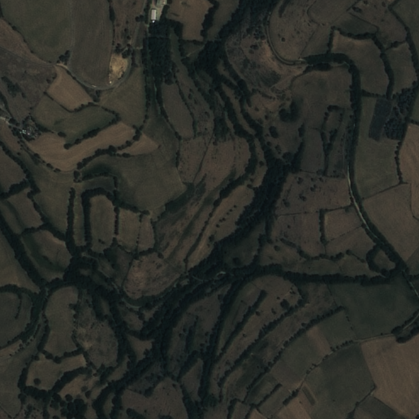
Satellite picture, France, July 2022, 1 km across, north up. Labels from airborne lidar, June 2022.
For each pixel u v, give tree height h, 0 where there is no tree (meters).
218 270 20
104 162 0
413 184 0
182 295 15
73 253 15
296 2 0
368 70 0
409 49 6
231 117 16
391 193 0
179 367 0
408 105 9
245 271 16
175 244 0
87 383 0
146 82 10
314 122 0
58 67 0
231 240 22
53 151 0
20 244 22
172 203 13
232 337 10
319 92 0
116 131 0
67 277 19
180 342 0
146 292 0
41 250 0
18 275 0
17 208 0
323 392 0
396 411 0
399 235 0
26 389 18
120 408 11
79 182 10
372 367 0
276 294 0
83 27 0
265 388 0
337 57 16
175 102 0
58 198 0
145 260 0
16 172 0
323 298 0
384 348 0
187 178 0
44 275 0
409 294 0
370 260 13
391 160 0
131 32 0
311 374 0
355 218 0
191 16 0
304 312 0
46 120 0
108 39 0
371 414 0
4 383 0
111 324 18
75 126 0
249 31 13
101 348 0
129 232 0
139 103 0
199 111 0
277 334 0
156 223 8
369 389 0
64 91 0
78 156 0
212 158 0
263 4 13
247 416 9
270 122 0
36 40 0
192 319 0
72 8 0
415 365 0
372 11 0
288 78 0
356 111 12
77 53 0
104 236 0
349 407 0
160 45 20
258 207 19
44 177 0
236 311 0
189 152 0
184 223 0
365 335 0
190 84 0
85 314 0
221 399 6
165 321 18
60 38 0
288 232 0
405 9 0
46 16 0
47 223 13
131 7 0
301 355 0
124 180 0
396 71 0
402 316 0
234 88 12
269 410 0
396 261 17
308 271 0
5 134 0
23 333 7
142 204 0
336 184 0
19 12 0
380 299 0
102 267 0
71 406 16
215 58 22
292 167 10
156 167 0
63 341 0
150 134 0
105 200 0
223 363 0
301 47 0
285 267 0
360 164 0
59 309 0
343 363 0
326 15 0
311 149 0
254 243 0
